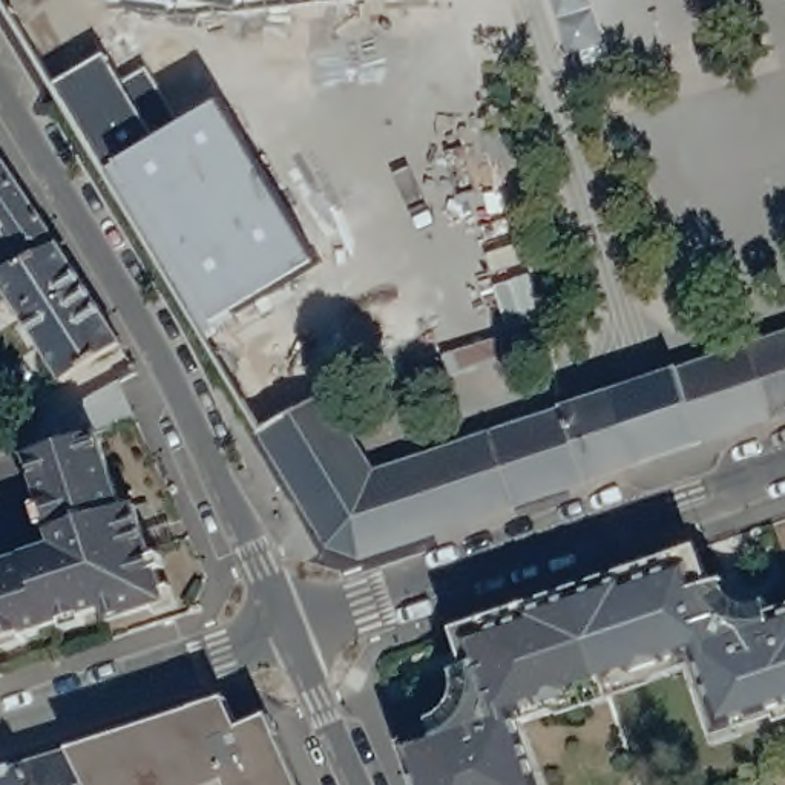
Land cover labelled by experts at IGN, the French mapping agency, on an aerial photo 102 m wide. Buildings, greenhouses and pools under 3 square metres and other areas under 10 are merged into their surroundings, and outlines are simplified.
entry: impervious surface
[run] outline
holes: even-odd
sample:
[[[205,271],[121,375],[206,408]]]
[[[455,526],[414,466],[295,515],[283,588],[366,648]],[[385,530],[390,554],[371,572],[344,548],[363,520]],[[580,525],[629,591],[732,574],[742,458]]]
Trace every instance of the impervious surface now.
[[[37,80],[25,55],[25,46],[31,43],[40,43],[46,52],[61,46],[64,40],[46,18],[46,0],[0,0],[0,150],[18,166],[25,181],[34,187],[37,199],[49,209],[58,233],[74,248],[77,261],[104,297],[107,313],[117,325],[113,343],[123,347],[123,359],[113,368],[77,383],[80,396],[86,399],[104,389],[107,383],[117,383],[126,393],[132,414],[141,423],[144,448],[150,448],[166,448],[166,460],[175,478],[172,494],[178,497],[184,521],[175,530],[184,530],[199,558],[181,595],[178,607],[172,610],[156,610],[110,626],[110,641],[101,647],[83,650],[77,656],[43,659],[34,672],[0,668],[0,764],[15,764],[28,754],[58,748],[61,742],[117,724],[129,724],[209,693],[221,693],[233,718],[245,718],[261,708],[273,714],[273,721],[297,751],[297,760],[304,767],[304,785],[402,785],[399,742],[386,727],[374,687],[377,656],[423,647],[445,635],[445,622],[457,616],[506,604],[512,598],[530,598],[534,592],[555,589],[564,580],[580,580],[583,573],[607,570],[619,561],[659,552],[678,543],[693,546],[702,570],[721,576],[721,589],[730,598],[764,598],[767,604],[785,601],[785,423],[757,423],[742,429],[739,435],[711,442],[705,451],[696,448],[687,454],[656,460],[647,469],[635,472],[622,494],[604,491],[592,500],[567,494],[537,497],[527,500],[515,512],[518,518],[506,521],[506,527],[500,530],[475,530],[466,537],[466,543],[460,543],[457,537],[445,537],[438,540],[438,552],[417,552],[386,561],[380,567],[347,570],[313,561],[316,546],[297,518],[297,506],[285,497],[285,491],[267,469],[264,457],[255,448],[255,438],[242,432],[227,399],[218,389],[205,389],[205,371],[193,365],[187,350],[190,340],[199,337],[193,328],[190,334],[178,334],[172,316],[163,310],[163,297],[153,294],[150,279],[156,273],[147,255],[135,258],[132,251],[126,251],[129,242],[123,233],[113,233],[110,242],[101,236],[101,227],[113,227],[113,215],[104,212],[104,205],[95,199],[95,190],[86,184],[89,175],[77,172],[74,150],[80,147],[64,113],[52,104],[49,89]],[[733,549],[739,546],[739,527],[754,524],[751,537],[757,537],[764,518],[776,524],[782,549],[770,555],[770,564],[764,570],[745,570],[739,567],[742,561],[733,555]],[[233,583],[242,586],[242,592],[248,592],[245,610],[236,622],[218,616]]]
[[[705,89],[696,95],[678,92],[678,98],[656,113],[638,107],[626,120],[632,126],[629,135],[635,144],[641,144],[641,150],[650,147],[656,159],[647,193],[650,199],[656,199],[653,218],[678,230],[678,251],[693,264],[708,264],[718,258],[730,270],[760,273],[776,267],[773,248],[785,239],[785,0],[751,0],[748,12],[764,12],[767,55],[751,64],[751,92],[739,92],[730,80],[721,89]]]
[[[377,448],[371,448],[368,460],[383,463],[411,454],[417,445],[402,438],[402,423],[396,417],[371,429],[371,438],[377,442]]]
[[[460,368],[457,356],[451,353],[445,353],[442,359],[445,368],[454,380],[460,414],[466,417],[460,429],[475,432],[549,408],[552,402],[570,399],[576,393],[659,365],[678,365],[684,359],[705,353],[702,347],[690,347],[690,331],[681,331],[675,325],[662,337],[662,328],[635,307],[638,301],[616,279],[610,236],[595,209],[589,187],[595,175],[586,163],[570,113],[564,110],[558,92],[580,77],[610,74],[619,52],[650,61],[672,58],[672,49],[678,43],[693,40],[696,15],[724,0],[512,0],[512,15],[527,28],[527,46],[534,49],[540,67],[537,101],[558,126],[558,135],[570,156],[570,178],[561,184],[561,202],[567,212],[576,215],[583,227],[589,227],[589,245],[595,245],[595,273],[604,291],[604,304],[598,307],[598,331],[586,334],[592,359],[583,365],[561,368],[552,377],[549,389],[540,396],[518,399],[506,386],[506,377],[497,368],[497,356],[494,353],[484,362]]]
[[[785,721],[785,696],[779,702],[767,702],[754,714],[730,714],[730,724],[724,730],[711,730],[690,665],[675,662],[672,653],[662,653],[659,659],[641,659],[629,668],[610,668],[607,675],[592,675],[573,681],[570,687],[540,690],[530,702],[521,702],[518,714],[509,721],[509,727],[521,739],[524,770],[534,776],[537,785],[543,785],[546,727],[540,718],[595,708],[604,705],[610,714],[616,714],[619,696],[635,693],[653,681],[681,675],[696,714],[696,742],[727,745],[739,742],[742,736],[751,736],[767,721]]]
[[[25,475],[12,472],[12,457],[0,454],[0,552],[40,537],[25,509]]]

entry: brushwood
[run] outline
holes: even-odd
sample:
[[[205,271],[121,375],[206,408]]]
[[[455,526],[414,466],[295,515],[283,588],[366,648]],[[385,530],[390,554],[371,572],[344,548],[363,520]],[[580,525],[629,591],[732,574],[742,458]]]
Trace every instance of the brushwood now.
[[[546,727],[583,727],[592,721],[595,708],[540,718]]]
[[[445,635],[423,647],[377,656],[374,687],[386,727],[399,742],[420,739],[426,733],[420,714],[438,702],[445,690],[445,665],[451,647]]]
[[[110,423],[107,429],[92,432],[98,460],[107,460],[113,491],[120,494],[120,500],[126,500],[129,494],[123,463],[110,445],[123,435],[138,463],[147,463],[150,448],[144,448],[141,423],[132,414]]]
[[[71,632],[49,629],[15,650],[0,647],[0,668],[34,672],[43,659],[77,656],[83,650],[101,647],[110,641],[110,626],[89,622]]]

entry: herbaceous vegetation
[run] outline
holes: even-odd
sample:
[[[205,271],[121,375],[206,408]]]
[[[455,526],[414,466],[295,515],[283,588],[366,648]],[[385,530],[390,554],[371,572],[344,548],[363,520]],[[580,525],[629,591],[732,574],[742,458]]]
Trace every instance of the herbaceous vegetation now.
[[[622,178],[604,172],[595,175],[589,187],[595,209],[607,202],[607,193],[619,187]]]
[[[245,610],[248,592],[242,592],[242,586],[233,583],[218,616],[236,622]]]
[[[255,438],[258,420],[248,408],[255,396],[239,380],[239,356],[224,347],[215,337],[199,337],[190,340],[187,350],[193,365],[205,371],[205,389],[218,389],[227,399],[242,432]]]
[[[672,49],[672,58],[672,67],[678,74],[678,92],[696,95],[705,89],[721,89],[730,80],[708,74],[702,67],[693,40],[678,43]]]
[[[653,301],[638,301],[635,307],[662,328],[662,337],[675,325],[668,304],[678,301],[678,285],[681,279],[687,279],[693,264],[678,251],[675,264],[668,267],[668,285],[653,285]]]
[[[785,721],[767,721],[751,736],[742,736],[739,742],[727,745],[696,742],[696,714],[681,675],[653,681],[635,693],[619,696],[616,714],[610,714],[604,705],[595,708],[592,721],[583,727],[546,727],[543,785],[622,785],[629,779],[629,770],[616,770],[610,764],[610,754],[650,757],[656,751],[656,742],[665,742],[681,751],[684,760],[699,764],[699,773],[708,779],[711,770],[727,770],[730,760],[757,764],[770,736],[785,736]]]
[[[767,304],[764,297],[751,294],[748,304],[751,313],[760,316],[760,331],[785,328],[785,313],[776,304]]]
[[[156,273],[150,279],[153,294],[163,297],[163,310],[172,316],[178,334],[190,334],[193,328],[166,279]]]
[[[150,448],[147,463],[138,463],[123,435],[110,445],[123,463],[129,494],[135,497],[135,503],[147,503],[144,530],[156,537],[156,552],[163,552],[163,567],[156,573],[166,586],[172,586],[181,595],[199,558],[184,530],[175,530],[184,521],[178,497],[172,494],[175,478],[166,460],[166,448]]]
[[[104,212],[113,215],[113,227],[101,227],[101,236],[110,242],[113,233],[123,233],[129,242],[126,251],[132,251],[135,258],[147,255],[123,205],[107,190],[95,163],[80,147],[74,150],[77,172],[89,175],[86,184],[95,190],[95,199],[104,205]]]
[[[15,319],[6,331],[0,328],[0,371],[21,368],[25,380],[31,380],[34,389],[34,417],[21,426],[18,438],[25,445],[37,445],[64,432],[86,438],[92,432],[92,423],[83,408],[86,399],[80,396],[77,383],[58,383],[61,371],[52,368],[52,362],[37,350],[37,340],[31,337],[21,319]]]
[[[632,126],[626,120],[638,107],[632,104],[632,98],[622,95],[613,95],[607,101],[616,113],[607,126],[607,141],[613,141],[616,135],[629,135]]]

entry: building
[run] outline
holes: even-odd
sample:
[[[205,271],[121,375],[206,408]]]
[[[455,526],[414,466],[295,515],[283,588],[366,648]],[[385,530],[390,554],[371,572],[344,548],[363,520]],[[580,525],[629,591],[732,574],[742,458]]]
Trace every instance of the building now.
[[[521,739],[509,727],[509,721],[518,714],[521,702],[530,702],[540,690],[570,687],[573,681],[592,675],[607,675],[610,668],[629,668],[641,659],[659,659],[662,653],[672,653],[675,662],[690,665],[711,730],[724,730],[730,724],[730,714],[754,714],[767,702],[779,702],[785,696],[785,601],[767,604],[764,598],[730,598],[721,589],[721,576],[702,570],[693,546],[678,543],[659,552],[619,561],[607,570],[583,573],[580,580],[564,580],[555,589],[534,592],[530,598],[512,598],[506,604],[457,616],[445,622],[445,635],[451,647],[445,665],[445,690],[438,702],[420,714],[426,733],[420,739],[399,742],[402,785],[537,785],[534,776],[524,770]]]
[[[534,331],[530,319],[524,316],[527,310],[534,310],[530,279],[518,276],[509,282],[494,282],[497,288],[491,297],[500,307],[500,313],[494,313],[488,325],[494,340],[481,340],[451,353],[457,356],[460,368],[484,362],[494,353],[497,356],[506,356],[512,343],[527,340]]]
[[[233,718],[221,693],[209,693],[129,724],[117,724],[61,742],[58,748],[28,754],[15,764],[0,764],[0,785],[304,785],[304,767],[297,760],[297,751],[273,721],[273,714],[261,708],[245,718]]]
[[[104,389],[86,399],[83,408],[92,423],[92,432],[107,429],[110,423],[132,414],[126,393],[117,383],[107,383]]]
[[[178,607],[181,595],[172,586],[166,586],[156,573],[163,567],[163,552],[156,552],[156,537],[144,530],[147,503],[135,503],[135,497],[129,494],[126,500],[120,500],[120,494],[113,491],[107,460],[98,460],[92,432],[86,438],[64,432],[37,445],[25,445],[18,438],[12,457],[12,472],[25,475],[25,509],[40,537],[0,552],[0,647],[15,650],[49,629],[71,632],[89,622],[110,626],[156,610],[172,610]]]
[[[107,190],[123,205],[147,255],[156,273],[166,279],[193,328],[199,337],[215,337],[224,347],[230,331],[239,325],[242,310],[301,282],[319,264],[319,251],[294,212],[291,193],[273,175],[270,163],[264,159],[264,150],[248,135],[245,123],[239,120],[236,107],[230,104],[221,86],[212,89],[212,95],[202,104],[175,120],[153,95],[153,64],[144,61],[138,71],[120,77],[117,67],[123,61],[113,58],[107,46],[98,46],[98,52],[80,58],[77,64],[49,74],[43,64],[46,52],[40,43],[31,43],[25,46],[25,55],[37,80],[49,89],[52,104],[64,113],[80,147],[95,163]]]
[[[684,359],[678,365],[659,365],[576,393],[570,399],[552,402],[549,408],[475,432],[460,429],[445,442],[417,445],[411,454],[383,463],[368,460],[371,448],[322,429],[322,423],[316,420],[316,405],[310,399],[294,402],[270,414],[267,420],[258,420],[255,438],[255,448],[264,457],[267,469],[285,491],[285,497],[297,506],[297,518],[316,546],[313,561],[347,570],[380,567],[386,561],[417,552],[438,552],[438,540],[445,537],[457,537],[460,543],[466,543],[466,537],[475,530],[500,530],[506,527],[506,521],[518,518],[515,512],[527,500],[537,497],[567,494],[592,500],[604,491],[622,494],[635,472],[647,469],[656,460],[687,454],[696,448],[705,451],[711,442],[739,435],[742,429],[757,423],[785,423],[785,328],[760,331],[760,340],[754,347],[730,359],[705,353]]]
[[[25,181],[18,166],[0,150],[0,328],[6,331],[15,319],[21,319],[31,337],[37,340],[37,350],[52,362],[52,368],[61,371],[58,383],[77,383],[113,368],[123,359],[123,347],[113,343],[117,325],[107,313],[104,297],[77,261],[74,248],[58,233],[49,209],[37,199],[34,187]]]
[[[193,18],[205,12],[264,9],[319,0],[120,0],[120,9],[126,12],[138,12],[144,18],[169,18],[172,25],[193,25]]]

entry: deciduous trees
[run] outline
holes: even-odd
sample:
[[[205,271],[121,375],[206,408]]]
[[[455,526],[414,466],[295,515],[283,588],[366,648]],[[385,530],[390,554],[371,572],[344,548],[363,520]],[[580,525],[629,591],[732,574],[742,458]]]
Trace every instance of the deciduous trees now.
[[[564,110],[570,113],[586,163],[595,175],[604,172],[622,178],[619,187],[607,193],[607,202],[595,209],[610,236],[616,279],[638,301],[653,301],[653,285],[668,285],[668,267],[675,264],[678,251],[678,230],[653,218],[656,199],[650,199],[647,193],[656,159],[650,147],[641,150],[641,144],[635,144],[629,135],[616,135],[613,141],[607,141],[607,126],[616,113],[607,101],[613,95],[622,95],[632,98],[632,104],[638,107],[656,113],[678,98],[678,92],[678,74],[672,67],[672,58],[650,61],[619,52],[610,74],[580,77],[558,92]]]
[[[396,350],[386,350],[380,340],[359,340],[347,353],[337,353],[328,365],[319,368],[310,399],[316,405],[316,420],[322,423],[322,429],[371,448],[377,448],[377,442],[371,438],[371,429],[396,417],[402,423],[402,438],[417,445],[445,442],[460,429],[466,417],[460,414],[454,380],[445,368],[423,368],[417,377],[405,377],[396,371]]]
[[[0,454],[12,457],[18,438],[21,426],[34,417],[34,389],[31,380],[25,380],[21,368],[0,371]]]
[[[708,264],[693,264],[687,279],[681,279],[678,285],[678,301],[668,304],[675,325],[681,331],[690,331],[690,347],[702,347],[705,353],[730,359],[754,347],[760,340],[760,331],[760,316],[751,313],[748,304],[751,294],[764,297],[767,304],[776,304],[785,313],[785,239],[773,248],[776,267],[760,273],[730,270],[718,258]]]
[[[733,549],[733,555],[742,561],[739,567],[745,570],[764,570],[770,564],[770,555],[782,549],[776,524],[764,518],[757,537],[751,537],[754,524],[739,527],[739,546]]]
[[[708,779],[699,773],[699,764],[684,760],[681,751],[665,742],[656,742],[656,751],[650,757],[610,754],[610,764],[616,770],[629,770],[629,779],[622,785],[785,785],[785,736],[770,736],[757,764],[730,760],[727,770],[711,770]]]
[[[751,92],[751,64],[767,55],[764,12],[748,12],[751,0],[724,0],[696,15],[693,40],[702,67],[708,74],[730,80],[739,92]]]
[[[567,212],[561,202],[561,184],[570,178],[570,156],[558,135],[558,126],[537,101],[540,67],[534,49],[527,46],[521,58],[512,64],[500,58],[484,61],[481,74],[494,107],[488,110],[488,117],[481,117],[481,126],[488,135],[500,135],[506,141],[512,153],[512,169],[521,175],[521,205],[503,202],[503,212],[509,227],[506,233],[512,236],[509,248],[515,248],[518,255],[515,267],[530,267],[530,279],[534,310],[527,310],[524,316],[530,319],[534,331],[527,340],[512,343],[506,356],[497,356],[497,368],[506,377],[506,386],[518,399],[540,396],[549,389],[552,377],[561,368],[583,365],[592,359],[586,334],[598,331],[598,307],[604,304],[604,291],[595,273],[595,245],[589,245],[589,227],[583,227],[576,215]]]

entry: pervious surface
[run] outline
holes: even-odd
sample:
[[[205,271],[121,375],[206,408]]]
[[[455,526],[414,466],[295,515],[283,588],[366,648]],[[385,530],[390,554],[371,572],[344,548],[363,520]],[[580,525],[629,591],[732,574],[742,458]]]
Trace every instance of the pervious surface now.
[[[153,64],[153,95],[175,120],[202,104],[212,95],[212,89],[221,86],[230,104],[236,107],[239,120],[245,123],[248,135],[264,150],[264,159],[270,163],[273,175],[291,193],[294,212],[319,251],[319,264],[301,282],[242,310],[239,325],[230,331],[224,347],[239,356],[239,380],[255,396],[248,408],[258,420],[267,420],[270,414],[294,402],[310,399],[319,368],[328,365],[337,353],[347,353],[359,340],[380,340],[386,350],[396,350],[396,371],[405,377],[417,377],[423,368],[445,368],[442,359],[445,353],[451,353],[481,340],[494,340],[488,325],[494,313],[500,313],[500,307],[491,297],[497,288],[494,282],[509,282],[518,276],[530,279],[530,267],[515,267],[518,255],[515,248],[509,248],[512,236],[506,233],[509,227],[503,212],[503,202],[521,205],[521,175],[512,169],[512,153],[506,141],[500,135],[488,135],[481,126],[481,117],[488,117],[488,110],[494,107],[481,74],[484,61],[500,58],[512,64],[521,58],[527,46],[527,28],[512,15],[512,0],[319,0],[264,9],[205,12],[193,18],[193,25],[172,25],[169,18],[144,18],[138,12],[126,12],[120,9],[120,0],[46,0],[46,18],[64,40],[61,46],[46,52],[43,64],[49,74],[77,64],[80,58],[98,52],[98,46],[107,46],[113,58],[123,61],[117,67],[120,77],[138,71],[144,61]]]

